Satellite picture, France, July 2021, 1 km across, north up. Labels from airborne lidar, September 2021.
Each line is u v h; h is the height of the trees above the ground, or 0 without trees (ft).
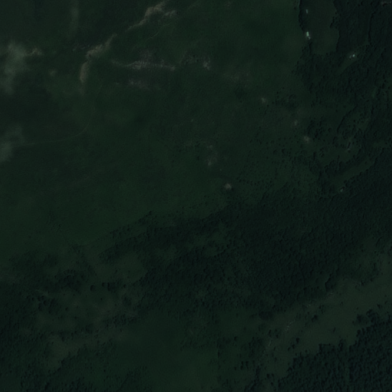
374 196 61
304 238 59
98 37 0
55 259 20
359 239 32
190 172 0
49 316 0
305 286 27
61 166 0
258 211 32
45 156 0
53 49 0
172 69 0
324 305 23
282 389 31
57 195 0
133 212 0
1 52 0
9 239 0
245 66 0
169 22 0
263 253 44
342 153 0
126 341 0
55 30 0
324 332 0
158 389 0
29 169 0
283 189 22
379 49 73
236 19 0
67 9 0
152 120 0
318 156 74
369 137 59
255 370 35
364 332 31
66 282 47
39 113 0
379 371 32
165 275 34
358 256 19
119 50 0
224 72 0
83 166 0
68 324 0
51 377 33
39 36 0
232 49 0
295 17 0
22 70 0
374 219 61
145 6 0
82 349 22
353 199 59
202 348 21
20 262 30
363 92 93
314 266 88
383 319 24
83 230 0
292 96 38
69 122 0
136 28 0
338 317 0
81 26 0
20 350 27
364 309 0
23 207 0
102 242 0
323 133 50
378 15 68
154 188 0
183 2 0
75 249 32
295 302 24
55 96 0
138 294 21
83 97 0
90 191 0
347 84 56
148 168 0
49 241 0
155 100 0
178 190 0
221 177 0
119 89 0
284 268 59
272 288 69
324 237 72
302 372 33
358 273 25
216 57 0
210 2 0
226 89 0
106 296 0
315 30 0
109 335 0
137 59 0
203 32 0
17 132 0
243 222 25
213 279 73
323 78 25
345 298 0
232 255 52
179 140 0
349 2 99
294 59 0
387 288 0
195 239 20
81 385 32
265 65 0
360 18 103
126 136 0
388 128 41
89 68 0
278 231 32
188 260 68
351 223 65
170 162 0
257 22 0
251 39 0
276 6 0
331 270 28
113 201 0
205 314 39
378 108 84
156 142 0
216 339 21
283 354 0
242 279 30
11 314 42
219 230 40
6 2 0
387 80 66
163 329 0
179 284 38
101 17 0
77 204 0
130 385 32
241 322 0
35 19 0
